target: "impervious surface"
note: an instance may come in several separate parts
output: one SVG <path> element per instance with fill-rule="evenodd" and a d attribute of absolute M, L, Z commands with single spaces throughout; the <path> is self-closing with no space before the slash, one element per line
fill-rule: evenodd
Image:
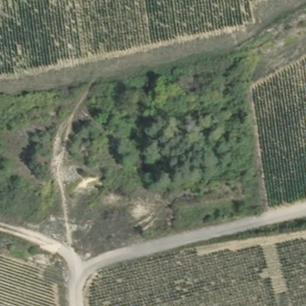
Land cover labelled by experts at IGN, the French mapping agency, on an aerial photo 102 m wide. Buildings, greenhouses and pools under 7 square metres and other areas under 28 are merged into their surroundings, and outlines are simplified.
<path fill-rule="evenodd" d="M 246 216 L 228 224 L 198 228 L 146 241 L 104 252 L 86 262 L 81 261 L 72 247 L 65 244 L 62 244 L 56 252 L 65 257 L 72 273 L 72 280 L 67 286 L 69 306 L 90 306 L 88 296 L 91 283 L 96 279 L 98 269 L 105 265 L 210 239 L 306 216 L 306 200 L 271 208 L 261 215 Z"/>

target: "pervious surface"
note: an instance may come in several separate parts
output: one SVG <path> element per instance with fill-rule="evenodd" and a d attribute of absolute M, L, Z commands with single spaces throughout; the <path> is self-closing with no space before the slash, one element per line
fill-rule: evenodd
<path fill-rule="evenodd" d="M 26 228 L 0 222 L 0 232 L 17 235 L 39 247 L 56 252 L 62 244 L 48 238 L 47 235 Z"/>
<path fill-rule="evenodd" d="M 63 214 L 67 237 L 65 244 L 72 247 L 72 233 L 76 231 L 76 225 L 68 222 L 67 197 L 63 185 L 63 175 L 66 172 L 63 166 L 67 140 L 71 134 L 74 115 L 78 111 L 74 106 L 72 114 L 62 120 L 57 127 L 53 160 L 50 164 L 50 170 L 59 184 Z"/>

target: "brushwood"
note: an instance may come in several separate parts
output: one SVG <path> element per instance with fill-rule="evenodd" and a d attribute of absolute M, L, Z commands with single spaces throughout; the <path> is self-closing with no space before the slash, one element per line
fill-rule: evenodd
<path fill-rule="evenodd" d="M 0 250 L 10 250 L 11 246 L 17 246 L 29 251 L 30 255 L 36 255 L 39 247 L 17 235 L 0 232 Z"/>
<path fill-rule="evenodd" d="M 306 216 L 210 239 L 213 244 L 219 244 L 231 240 L 306 231 Z"/>
<path fill-rule="evenodd" d="M 247 88 L 253 82 L 252 74 L 258 62 L 269 50 L 275 49 L 275 42 L 267 42 L 265 39 L 273 37 L 273 33 L 268 32 L 269 27 L 281 24 L 284 30 L 290 30 L 289 24 L 293 19 L 300 14 L 306 14 L 306 0 L 304 0 L 299 6 L 282 11 L 268 22 L 262 23 L 255 35 L 232 45 L 231 49 L 191 54 L 180 57 L 175 62 L 154 66 L 152 69 L 148 66 L 136 69 L 129 67 L 122 71 L 117 69 L 114 76 L 98 78 L 94 82 L 72 82 L 69 85 L 51 87 L 49 90 L 0 92 L 0 222 L 26 228 L 29 222 L 39 224 L 50 216 L 63 214 L 59 184 L 50 170 L 50 164 L 53 160 L 57 127 L 62 120 L 72 114 L 74 106 L 78 111 L 74 115 L 71 134 L 67 140 L 63 166 L 75 165 L 78 169 L 76 172 L 82 177 L 98 178 L 88 194 L 92 198 L 90 207 L 103 207 L 102 197 L 111 194 L 131 198 L 141 186 L 161 195 L 164 200 L 170 194 L 175 196 L 175 200 L 163 208 L 163 213 L 159 214 L 159 220 L 154 222 L 154 226 L 145 229 L 140 235 L 146 241 L 198 228 L 228 224 L 246 216 L 261 215 L 271 208 L 265 189 L 262 163 L 255 163 L 255 137 L 249 123 L 245 121 L 245 100 L 249 99 Z"/>

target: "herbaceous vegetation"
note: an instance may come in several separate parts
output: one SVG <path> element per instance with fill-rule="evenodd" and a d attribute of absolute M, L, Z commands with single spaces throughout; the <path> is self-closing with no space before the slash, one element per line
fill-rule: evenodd
<path fill-rule="evenodd" d="M 13 73 L 0 74 L 0 92 L 49 90 L 51 87 L 69 85 L 72 82 L 94 82 L 98 78 L 114 76 L 117 69 L 122 71 L 129 67 L 136 69 L 148 66 L 152 69 L 154 66 L 175 62 L 180 57 L 191 54 L 231 49 L 232 45 L 255 35 L 262 23 L 268 22 L 282 11 L 299 6 L 304 0 L 252 0 L 251 19 L 244 20 L 240 25 L 134 45 L 124 50 L 104 53 L 98 51 L 96 54 L 90 53 L 78 59 L 62 59 L 53 65 L 16 69 Z"/>
<path fill-rule="evenodd" d="M 39 224 L 29 222 L 26 228 L 47 235 L 48 238 L 62 244 L 65 244 L 67 237 L 63 214 L 50 216 Z"/>
<path fill-rule="evenodd" d="M 267 42 L 275 42 L 275 49 L 269 50 L 258 62 L 252 74 L 253 82 L 247 88 L 249 99 L 245 100 L 245 121 L 249 123 L 255 137 L 255 163 L 262 163 L 252 92 L 264 82 L 306 60 L 306 14 L 300 14 L 293 19 L 289 24 L 290 30 L 284 30 L 281 24 L 269 27 L 268 32 L 273 33 L 273 37 L 265 39 Z"/>
<path fill-rule="evenodd" d="M 170 194 L 164 200 L 161 195 L 141 186 L 131 198 L 111 194 L 102 197 L 103 207 L 90 207 L 92 198 L 88 194 L 98 178 L 82 177 L 76 172 L 78 169 L 75 165 L 63 166 L 66 172 L 63 175 L 63 185 L 67 197 L 68 222 L 76 225 L 76 231 L 72 233 L 72 247 L 81 261 L 86 262 L 104 252 L 146 241 L 140 235 L 145 229 L 154 226 L 154 222 L 159 220 L 159 214 L 163 213 L 163 208 L 175 200 L 175 196 Z"/>

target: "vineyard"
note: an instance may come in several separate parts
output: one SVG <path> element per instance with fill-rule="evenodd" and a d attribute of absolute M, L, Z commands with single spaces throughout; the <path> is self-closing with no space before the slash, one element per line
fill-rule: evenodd
<path fill-rule="evenodd" d="M 231 240 L 219 244 L 213 244 L 210 239 L 105 265 L 98 269 L 96 279 L 91 283 L 88 296 L 90 306 L 306 306 L 306 231 Z"/>
<path fill-rule="evenodd" d="M 240 25 L 244 20 L 251 19 L 252 0 L 0 0 L 0 74 L 13 73 L 16 69 L 53 65 L 62 59 L 78 59 L 90 53 L 96 54 L 98 51 L 104 53 L 124 50 L 134 45 Z"/>
<path fill-rule="evenodd" d="M 29 251 L 17 246 L 11 246 L 10 250 L 0 250 L 0 306 L 69 306 L 67 286 L 72 280 L 72 273 L 65 257 L 56 252 L 39 247 L 36 255 L 30 255 Z"/>
<path fill-rule="evenodd" d="M 262 163 L 265 189 L 271 208 L 306 200 L 306 60 L 264 82 L 252 92 Z"/>

